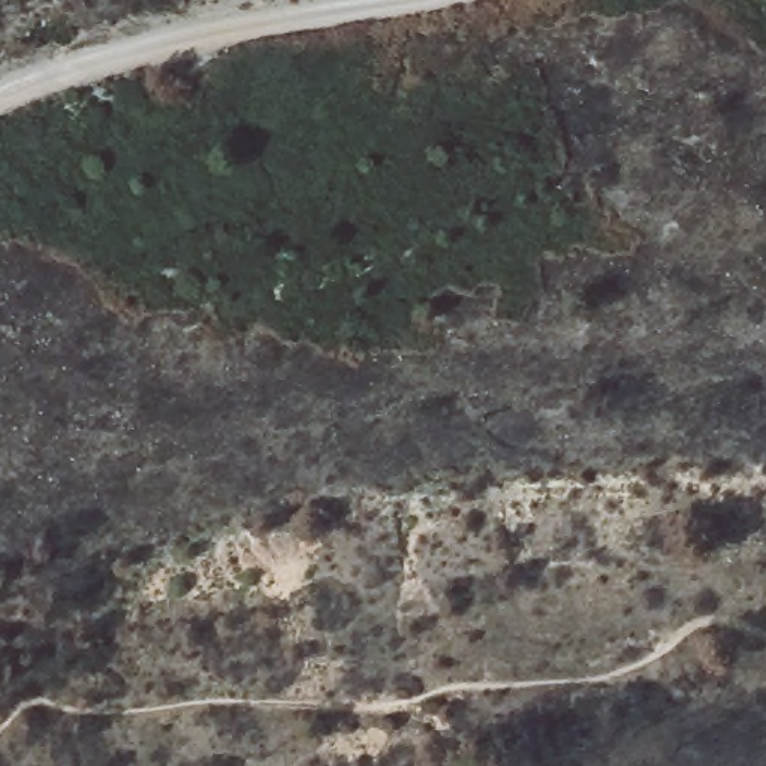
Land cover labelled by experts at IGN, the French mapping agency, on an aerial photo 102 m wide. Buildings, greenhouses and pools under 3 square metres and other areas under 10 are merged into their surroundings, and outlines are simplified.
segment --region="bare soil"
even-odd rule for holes
[[[287,6],[311,0],[0,0],[0,75],[30,66],[36,54],[51,60],[63,45],[69,51],[84,51],[129,36],[141,36],[147,30],[159,30],[171,24],[177,15],[215,21],[233,18],[239,9],[257,12],[269,3]]]
[[[0,245],[0,557],[42,560],[45,554],[51,554],[57,560],[69,560],[78,548],[84,548],[90,557],[108,548],[153,548],[153,557],[147,563],[114,563],[114,577],[123,577],[135,586],[135,592],[129,592],[126,619],[117,628],[120,649],[111,658],[111,667],[126,679],[126,697],[87,703],[84,715],[111,715],[111,727],[105,730],[105,736],[117,751],[135,751],[135,760],[129,766],[446,766],[446,754],[458,751],[458,739],[449,739],[443,733],[449,730],[449,724],[476,742],[482,727],[497,724],[509,712],[518,712],[530,703],[536,709],[551,712],[554,721],[554,742],[542,754],[530,754],[533,766],[766,766],[766,51],[757,54],[754,48],[742,45],[688,3],[664,6],[646,15],[628,12],[577,18],[560,30],[530,30],[527,36],[518,36],[518,27],[509,27],[503,36],[491,42],[494,63],[506,66],[506,72],[518,69],[521,78],[527,78],[536,87],[539,102],[545,102],[554,117],[554,135],[563,141],[566,165],[560,174],[545,177],[545,189],[554,192],[557,186],[566,186],[572,192],[572,200],[586,203],[586,209],[598,206],[604,230],[598,248],[577,242],[577,251],[572,257],[539,263],[539,284],[533,287],[521,320],[497,317],[503,287],[494,284],[476,290],[458,287],[455,293],[434,296],[431,308],[413,308],[413,326],[404,329],[404,335],[398,338],[398,350],[353,350],[323,344],[314,344],[308,350],[266,323],[254,323],[248,326],[248,332],[236,332],[230,338],[215,341],[209,332],[209,320],[215,320],[212,305],[192,311],[132,308],[123,299],[114,299],[111,290],[96,293],[93,281],[81,278],[66,263],[48,260],[45,254],[24,245]],[[431,697],[413,712],[353,712],[362,697],[413,697],[437,682],[604,673],[646,655],[664,631],[673,631],[682,622],[703,613],[712,625],[691,631],[676,649],[661,655],[655,679],[637,676],[628,682],[595,685],[464,691],[461,697]],[[156,715],[126,715],[129,706],[209,694],[242,697],[239,706],[180,706],[180,712],[168,712],[168,721]]]

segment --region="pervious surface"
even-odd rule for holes
[[[51,60],[36,54],[30,66],[0,75],[0,114],[9,114],[27,102],[45,99],[66,87],[81,87],[108,75],[126,75],[144,63],[159,66],[183,51],[194,51],[200,60],[212,60],[221,48],[260,36],[332,27],[362,18],[428,12],[470,0],[311,0],[287,6],[269,3],[257,12],[239,9],[233,18],[215,21],[177,15],[171,24],[159,30],[147,30],[141,36],[129,36],[84,51],[69,51],[63,45]]]
[[[69,703],[63,694],[39,694],[18,700],[15,709],[0,721],[0,736],[6,736],[36,706],[60,709],[66,715],[84,715],[87,703]]]
[[[209,694],[129,706],[126,715],[156,715],[168,721],[168,712],[180,712],[180,706],[239,706],[242,697]]]
[[[691,631],[712,625],[703,613],[682,622],[673,631],[664,631],[646,655],[604,673],[437,682],[413,697],[362,697],[353,712],[413,712],[431,697],[461,697],[464,691],[595,685],[628,682],[637,676],[655,679],[661,655],[676,649]]]

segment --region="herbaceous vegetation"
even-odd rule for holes
[[[503,36],[509,27],[518,27],[518,36],[527,36],[530,30],[560,30],[577,18],[628,12],[646,15],[664,6],[688,3],[742,45],[754,48],[757,54],[766,51],[766,0],[470,0],[428,12],[362,18],[332,27],[260,36],[221,48],[212,60],[200,60],[194,51],[183,51],[159,66],[144,63],[126,75],[108,75],[81,87],[66,87],[45,99],[27,102],[9,114],[0,114],[0,245],[24,245],[45,254],[48,260],[66,263],[81,278],[93,281],[96,293],[111,290],[114,299],[123,299],[132,308],[192,311],[212,305],[215,320],[209,320],[209,332],[215,341],[230,338],[236,332],[248,332],[248,326],[254,323],[266,323],[308,350],[314,344],[323,344],[353,350],[398,350],[398,338],[404,335],[404,329],[413,326],[413,308],[431,308],[434,296],[455,293],[458,287],[476,290],[494,284],[503,287],[497,317],[521,320],[533,287],[539,284],[539,263],[572,257],[577,251],[577,242],[598,248],[604,230],[598,206],[586,209],[586,203],[572,200],[572,192],[566,186],[557,186],[554,192],[545,189],[545,177],[560,174],[566,165],[563,141],[554,135],[554,117],[545,102],[539,102],[536,87],[527,78],[521,78],[518,69],[506,72],[506,66],[494,63],[491,42]]]

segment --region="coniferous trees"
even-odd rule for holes
[[[135,760],[135,751],[117,751],[105,736],[105,730],[111,727],[111,715],[84,715],[66,715],[60,709],[36,706],[6,736],[0,736],[0,766],[129,766]]]
[[[482,727],[476,742],[449,724],[449,730],[443,733],[449,739],[458,739],[458,751],[446,754],[446,766],[533,766],[530,754],[542,754],[554,742],[554,721],[551,712],[536,709],[530,703],[518,712],[509,712],[497,724]]]
[[[135,592],[135,586],[123,577],[114,577],[114,563],[147,563],[153,557],[153,548],[108,548],[90,557],[84,548],[78,548],[69,560],[57,560],[51,554],[45,554],[42,560],[0,557],[0,721],[15,709],[18,700],[39,694],[63,694],[69,703],[87,703],[126,697],[126,679],[111,667],[111,658],[120,649],[117,628],[126,619],[129,592]]]

